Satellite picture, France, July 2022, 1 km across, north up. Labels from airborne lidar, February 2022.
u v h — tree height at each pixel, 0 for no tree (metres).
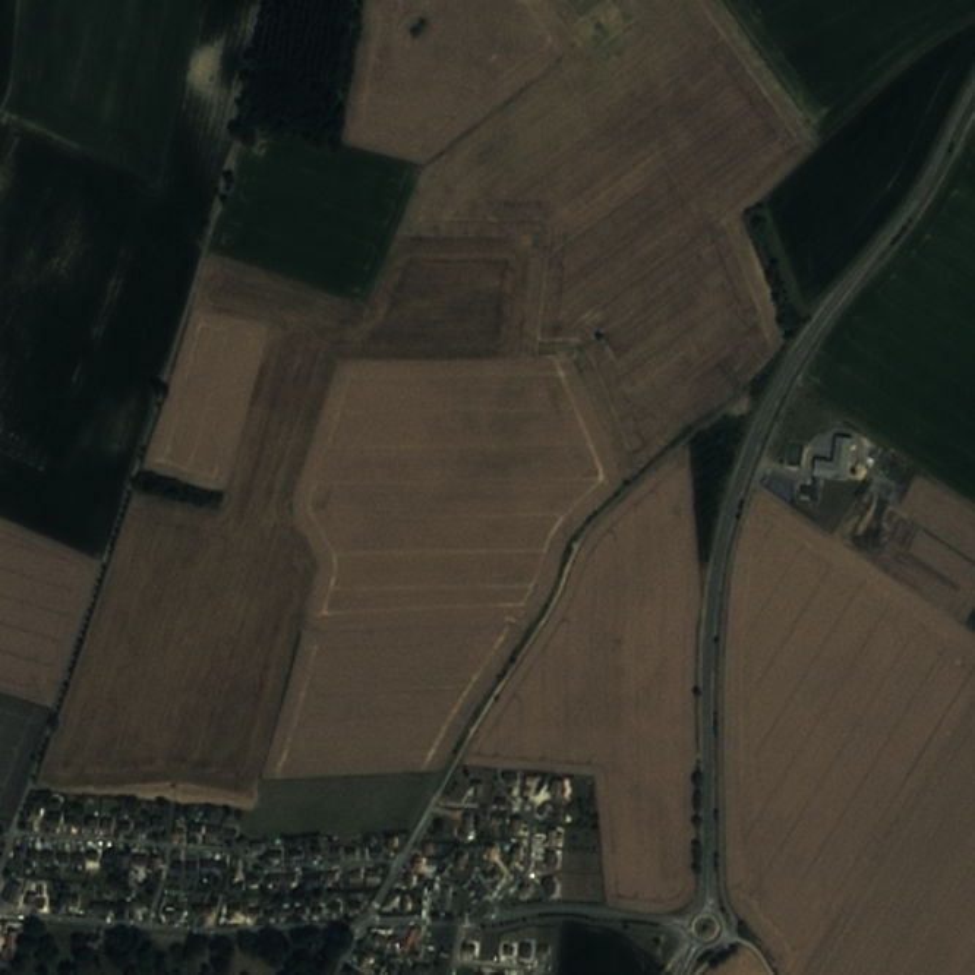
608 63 0
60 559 0
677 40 0
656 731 0
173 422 0
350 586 0
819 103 0
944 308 0
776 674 0
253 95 12
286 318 0
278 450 0
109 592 0
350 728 0
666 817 0
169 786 0
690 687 0
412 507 0
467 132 0
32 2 0
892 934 0
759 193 0
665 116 0
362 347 0
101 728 0
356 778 0
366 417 0
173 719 0
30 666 0
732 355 0
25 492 0
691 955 0
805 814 0
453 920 9
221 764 0
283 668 0
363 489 0
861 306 0
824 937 0
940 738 0
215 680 0
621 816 0
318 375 0
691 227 0
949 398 0
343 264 0
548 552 0
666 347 0
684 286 0
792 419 0
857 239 0
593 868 0
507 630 0
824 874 0
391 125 0
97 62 0
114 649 0
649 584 0
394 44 0
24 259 0
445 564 0
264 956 17
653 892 0
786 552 0
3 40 0
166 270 0
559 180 0
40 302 0
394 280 0
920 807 0
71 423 0
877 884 0
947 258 0
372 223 0
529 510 0
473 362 0
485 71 0
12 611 0
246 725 0
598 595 0
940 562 0
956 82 0
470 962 0
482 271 0
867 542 0
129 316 0
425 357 0
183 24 0
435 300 0
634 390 0
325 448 0
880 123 0
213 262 0
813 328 0
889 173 0
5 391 0
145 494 7
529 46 0
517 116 0
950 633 0
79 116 0
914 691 0
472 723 0
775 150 0
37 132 0
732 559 0
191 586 0
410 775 0
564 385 0
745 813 0
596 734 0
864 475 0
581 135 0
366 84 0
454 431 0
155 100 0
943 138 0
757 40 0
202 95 0
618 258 0
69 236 0
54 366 0
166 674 0
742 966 0
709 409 0
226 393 0
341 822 0
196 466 0
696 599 0
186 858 0
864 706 0
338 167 0
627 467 0
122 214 0
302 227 0
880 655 0
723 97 0
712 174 0
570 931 0
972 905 0
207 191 0
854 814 0
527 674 0
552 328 0
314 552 0
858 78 0
